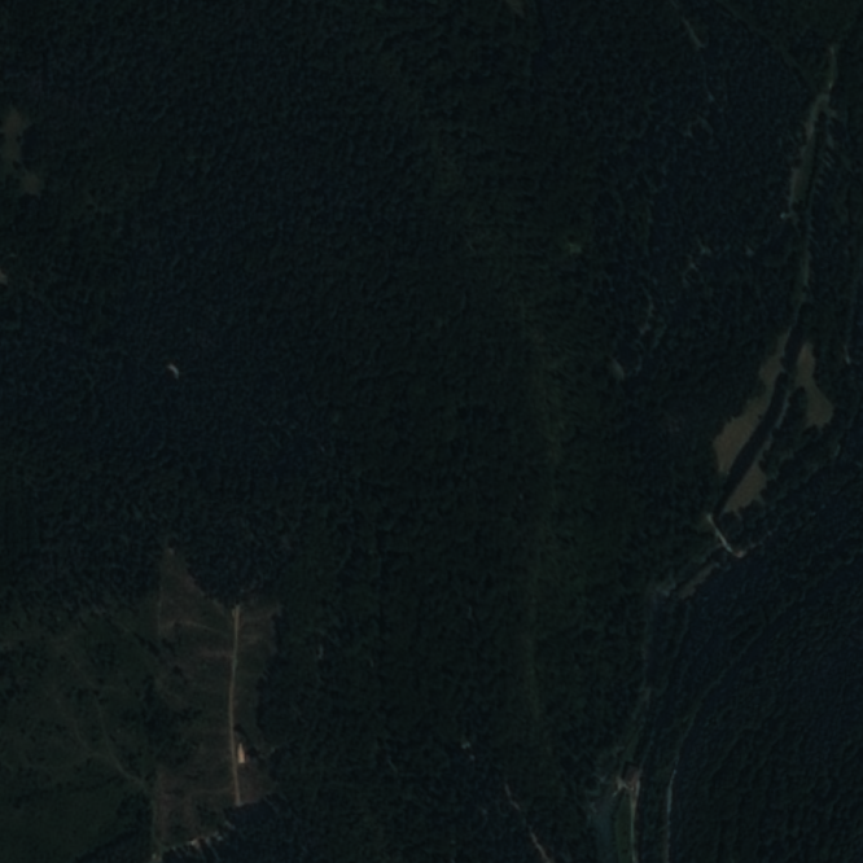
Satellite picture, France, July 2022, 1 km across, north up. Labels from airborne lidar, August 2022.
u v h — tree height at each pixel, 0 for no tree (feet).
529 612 58
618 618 85
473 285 66
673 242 116
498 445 73
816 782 86
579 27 110
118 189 44
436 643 102
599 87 69
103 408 86
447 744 18
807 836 89
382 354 86
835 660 89
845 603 70
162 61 74
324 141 94
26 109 63
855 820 82
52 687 0
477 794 102
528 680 34
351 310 81
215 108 73
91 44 59
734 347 75
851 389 101
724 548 21
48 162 38
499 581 101
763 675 75
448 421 82
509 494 90
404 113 43
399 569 91
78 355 104
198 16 58
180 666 0
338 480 99
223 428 111
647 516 85
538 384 49
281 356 107
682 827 59
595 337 111
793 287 63
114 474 42
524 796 93
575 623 66
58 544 61
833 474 39
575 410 68
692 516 68
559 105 99
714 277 120
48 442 71
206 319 103
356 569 93
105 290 21
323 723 68
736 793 30
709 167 112
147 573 74
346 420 90
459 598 60
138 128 69
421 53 127
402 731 112
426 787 107
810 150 0
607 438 84
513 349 72
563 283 97
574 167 85
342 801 72
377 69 54
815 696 87
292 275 83
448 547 110
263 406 113
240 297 86
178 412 116
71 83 62
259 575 67
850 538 121
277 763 76
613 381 128
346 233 87
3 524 28
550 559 47
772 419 60
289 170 99
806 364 0
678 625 80
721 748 59
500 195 116
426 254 84
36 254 66
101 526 60
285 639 64
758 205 110
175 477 69
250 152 76
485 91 123
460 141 88
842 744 91
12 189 28
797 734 76
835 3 59
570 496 87
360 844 77
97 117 67
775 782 68
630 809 0
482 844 84
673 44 98
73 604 109
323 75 71
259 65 63
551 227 81
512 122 106
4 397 87
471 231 52
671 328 64
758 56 118
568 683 63
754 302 77
